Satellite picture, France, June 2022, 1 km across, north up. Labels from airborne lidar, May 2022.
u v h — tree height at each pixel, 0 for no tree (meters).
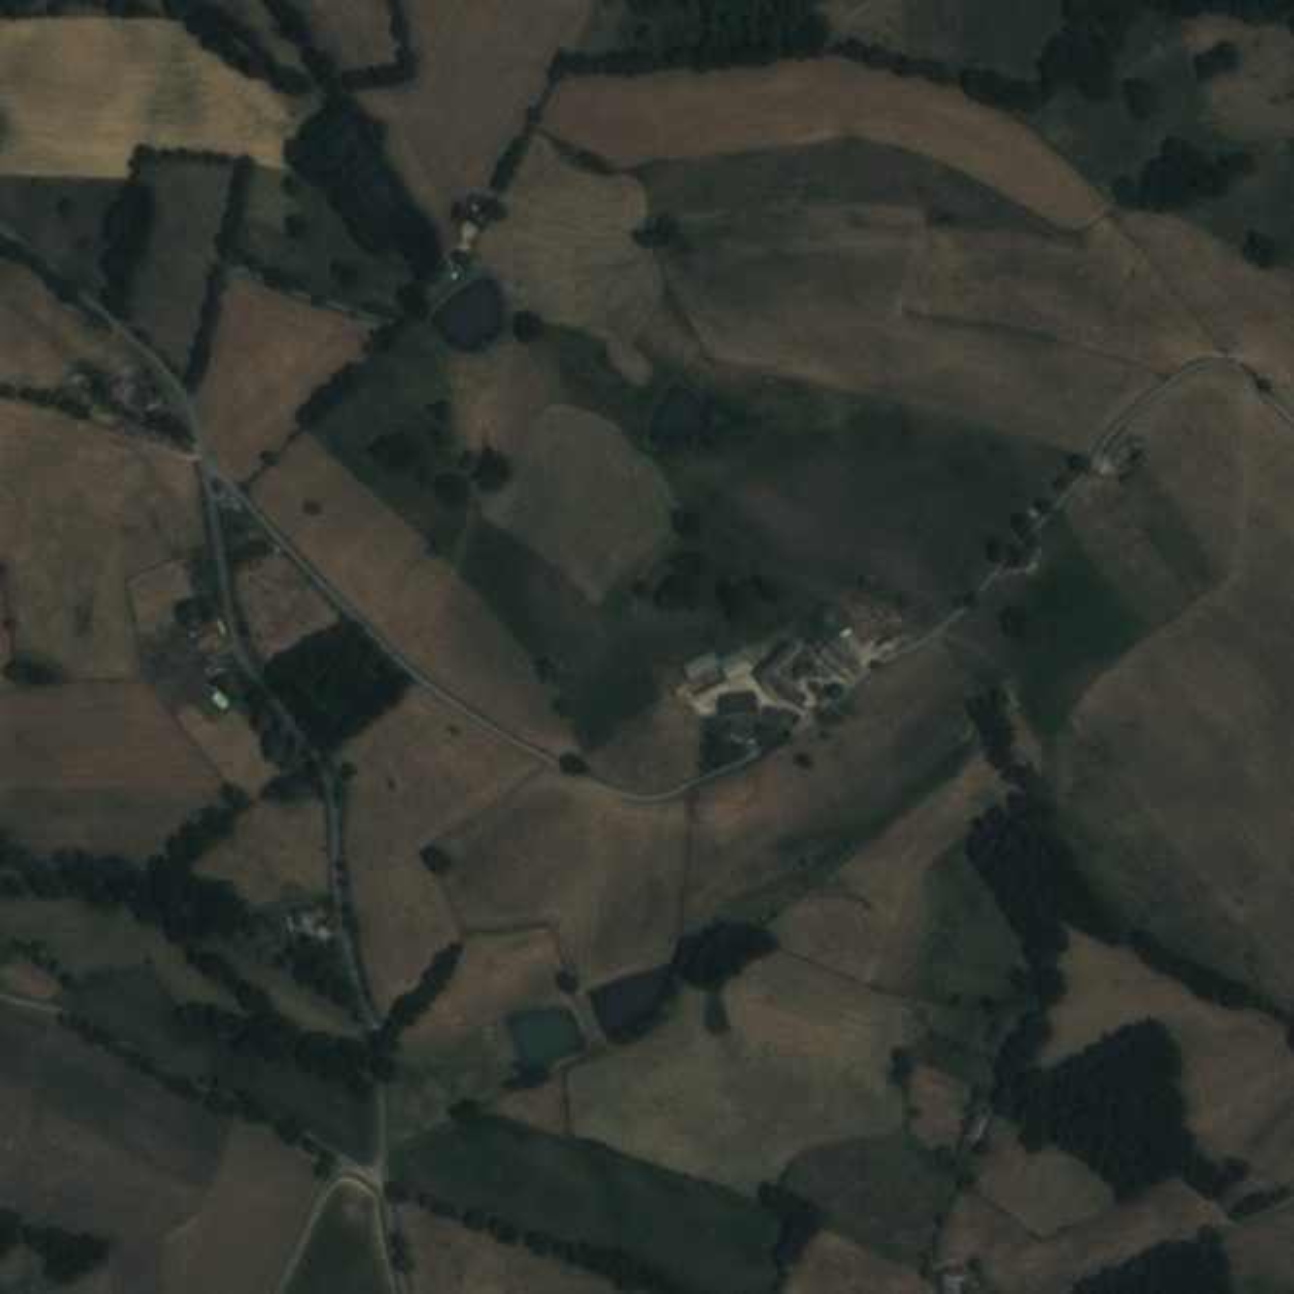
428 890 0
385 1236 0
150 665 0
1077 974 0
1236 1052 0
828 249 0
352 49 0
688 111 0
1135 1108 21
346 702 13
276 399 0
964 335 0
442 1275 0
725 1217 0
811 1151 0
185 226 0
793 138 0
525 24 0
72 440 0
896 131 0
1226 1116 0
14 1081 0
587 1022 0
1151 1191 13
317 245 0
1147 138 0
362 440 0
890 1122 0
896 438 0
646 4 18
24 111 0
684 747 0
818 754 0
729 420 10
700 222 0
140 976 0
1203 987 21
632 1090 0
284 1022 16
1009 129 0
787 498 0
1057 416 0
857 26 0
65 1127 0
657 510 0
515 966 0
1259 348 0
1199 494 0
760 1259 0
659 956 0
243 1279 0
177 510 0
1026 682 0
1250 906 0
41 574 0
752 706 0
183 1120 0
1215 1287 20
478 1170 0
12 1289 0
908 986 0
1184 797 0
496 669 0
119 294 19
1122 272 0
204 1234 0
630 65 17
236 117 0
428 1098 0
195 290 0
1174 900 0
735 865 0
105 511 0
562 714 8
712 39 15
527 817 0
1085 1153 21
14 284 0
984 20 0
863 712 0
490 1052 0
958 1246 0
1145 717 0
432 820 0
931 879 0
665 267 0
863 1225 0
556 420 0
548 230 0
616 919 0
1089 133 0
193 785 0
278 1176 0
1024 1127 20
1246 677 0
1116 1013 0
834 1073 0
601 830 0
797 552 0
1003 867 20
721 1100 0
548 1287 0
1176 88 0
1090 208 0
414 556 0
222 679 12
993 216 0
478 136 0
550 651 0
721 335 0
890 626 0
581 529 0
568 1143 0
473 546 0
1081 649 0
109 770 0
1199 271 0
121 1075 0
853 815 0
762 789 0
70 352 0
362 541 0
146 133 0
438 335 0
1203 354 0
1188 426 0
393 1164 0
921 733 0
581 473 0
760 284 0
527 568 0
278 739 18
